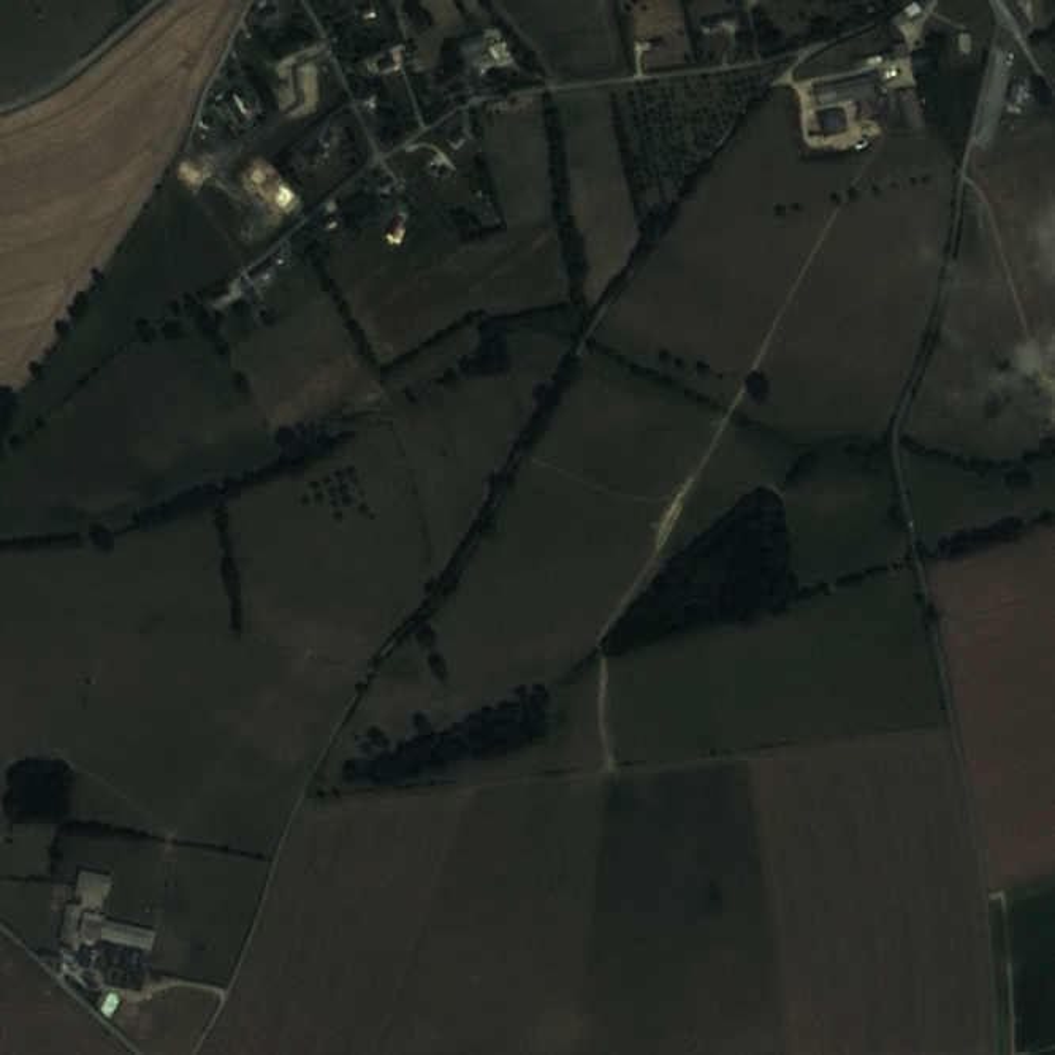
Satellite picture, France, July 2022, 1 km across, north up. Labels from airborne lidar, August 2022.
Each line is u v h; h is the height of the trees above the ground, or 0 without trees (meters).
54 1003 0
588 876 0
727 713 0
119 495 0
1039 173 0
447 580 11
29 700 0
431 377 0
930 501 0
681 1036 0
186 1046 0
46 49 0
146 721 0
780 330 0
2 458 22
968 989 0
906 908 0
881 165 0
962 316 0
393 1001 0
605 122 0
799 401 0
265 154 0
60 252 0
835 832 0
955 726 0
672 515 0
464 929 0
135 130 0
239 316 11
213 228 0
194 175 0
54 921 0
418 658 0
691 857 0
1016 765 0
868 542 0
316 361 0
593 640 0
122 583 0
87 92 0
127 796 0
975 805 0
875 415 0
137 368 0
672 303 0
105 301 0
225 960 0
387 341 0
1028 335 0
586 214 0
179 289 0
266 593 0
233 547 9
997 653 0
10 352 0
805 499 0
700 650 0
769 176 0
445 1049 0
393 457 0
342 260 0
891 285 0
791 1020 0
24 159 0
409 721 0
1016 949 0
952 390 0
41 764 7
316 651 0
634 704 0
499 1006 0
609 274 0
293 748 0
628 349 0
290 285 0
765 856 0
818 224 0
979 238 0
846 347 0
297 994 0
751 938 0
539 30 0
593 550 0
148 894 0
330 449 20
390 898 0
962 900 0
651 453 0
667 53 0
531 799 0
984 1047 0
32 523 0
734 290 0
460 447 0
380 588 0
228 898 0
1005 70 0
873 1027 0
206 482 0
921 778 0
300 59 0
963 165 11
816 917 0
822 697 0
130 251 0
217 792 0
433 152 0
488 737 13
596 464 0
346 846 0
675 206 11
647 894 0
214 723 0
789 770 0
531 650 0
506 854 0
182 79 0
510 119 0
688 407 0
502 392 0
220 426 0
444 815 0
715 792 0
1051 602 0
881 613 0
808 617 0
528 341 0
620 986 0
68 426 0
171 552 0
